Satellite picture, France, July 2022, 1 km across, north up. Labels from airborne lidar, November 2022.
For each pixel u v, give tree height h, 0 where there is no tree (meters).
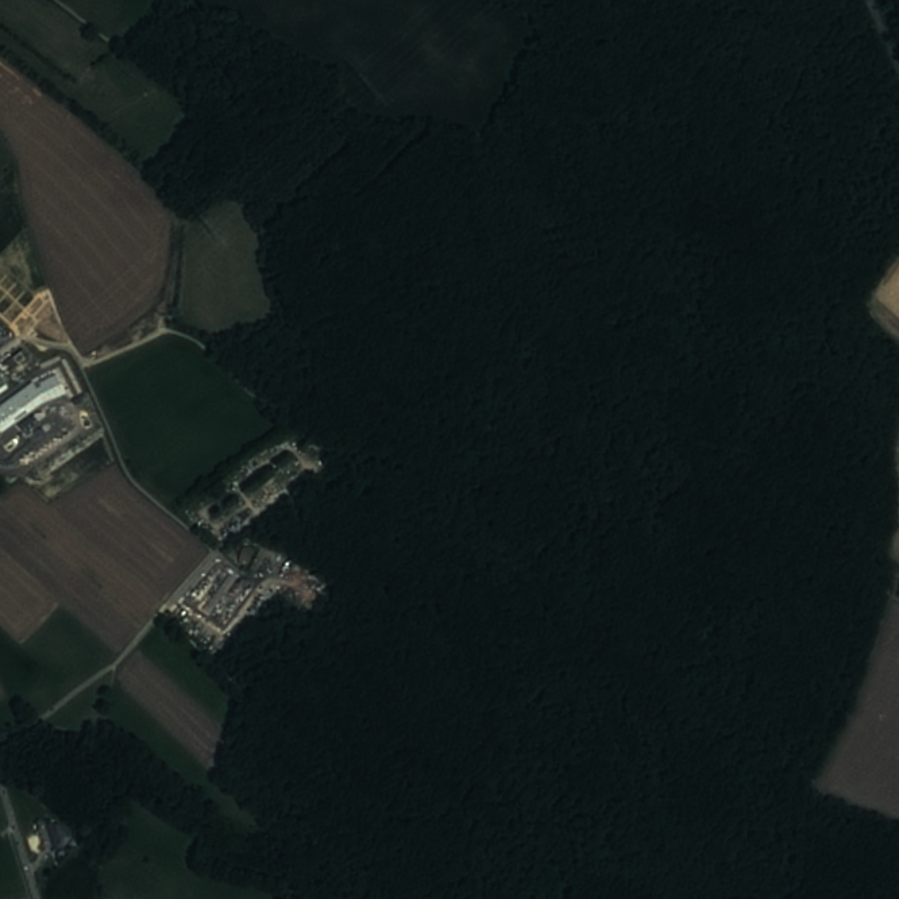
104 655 0
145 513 0
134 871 0
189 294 0
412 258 24
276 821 22
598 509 22
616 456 20
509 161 18
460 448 24
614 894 30
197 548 0
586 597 22
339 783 27
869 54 25
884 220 23
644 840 21
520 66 18
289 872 23
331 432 27
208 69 22
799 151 24
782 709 29
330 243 25
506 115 21
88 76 0
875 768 0
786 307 23
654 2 22
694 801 31
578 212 22
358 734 30
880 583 23
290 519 26
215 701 0
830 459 25
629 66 25
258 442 7
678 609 29
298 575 0
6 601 0
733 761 22
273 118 19
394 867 27
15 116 0
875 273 24
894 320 0
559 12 27
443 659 29
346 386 27
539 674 24
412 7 0
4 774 16
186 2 19
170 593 0
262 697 26
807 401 25
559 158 21
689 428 29
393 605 27
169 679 0
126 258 0
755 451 24
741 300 27
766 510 26
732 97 23
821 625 29
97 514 0
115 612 0
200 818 13
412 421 26
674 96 23
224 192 13
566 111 25
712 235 25
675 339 24
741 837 21
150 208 0
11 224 0
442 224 22
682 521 21
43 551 0
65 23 0
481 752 27
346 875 26
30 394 0
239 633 17
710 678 26
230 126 24
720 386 27
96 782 19
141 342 0
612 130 23
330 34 0
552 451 21
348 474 23
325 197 25
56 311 0
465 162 22
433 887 24
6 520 0
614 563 27
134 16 0
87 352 0
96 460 0
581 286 23
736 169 25
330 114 21
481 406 24
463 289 24
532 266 22
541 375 28
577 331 24
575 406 26
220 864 17
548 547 25
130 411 0
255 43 24
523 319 22
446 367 21
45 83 11
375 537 28
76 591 0
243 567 6
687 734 27
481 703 27
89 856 17
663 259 25
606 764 26
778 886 25
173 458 0
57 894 0
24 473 0
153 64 23
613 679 25
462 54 0
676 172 25
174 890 0
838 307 24
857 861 29
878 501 24
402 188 26
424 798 19
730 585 26
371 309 26
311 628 24
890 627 0
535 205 21
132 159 12
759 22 20
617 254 24
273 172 16
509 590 26
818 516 27
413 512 26
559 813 22
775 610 28
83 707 0
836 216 22
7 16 0
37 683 0
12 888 0
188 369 0
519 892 25
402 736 31
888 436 21
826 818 27
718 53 23
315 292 26
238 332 20
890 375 23
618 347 25
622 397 19
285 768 27
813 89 24
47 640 0
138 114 0
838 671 26
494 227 23
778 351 27
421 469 28
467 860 23
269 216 11
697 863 27
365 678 27
